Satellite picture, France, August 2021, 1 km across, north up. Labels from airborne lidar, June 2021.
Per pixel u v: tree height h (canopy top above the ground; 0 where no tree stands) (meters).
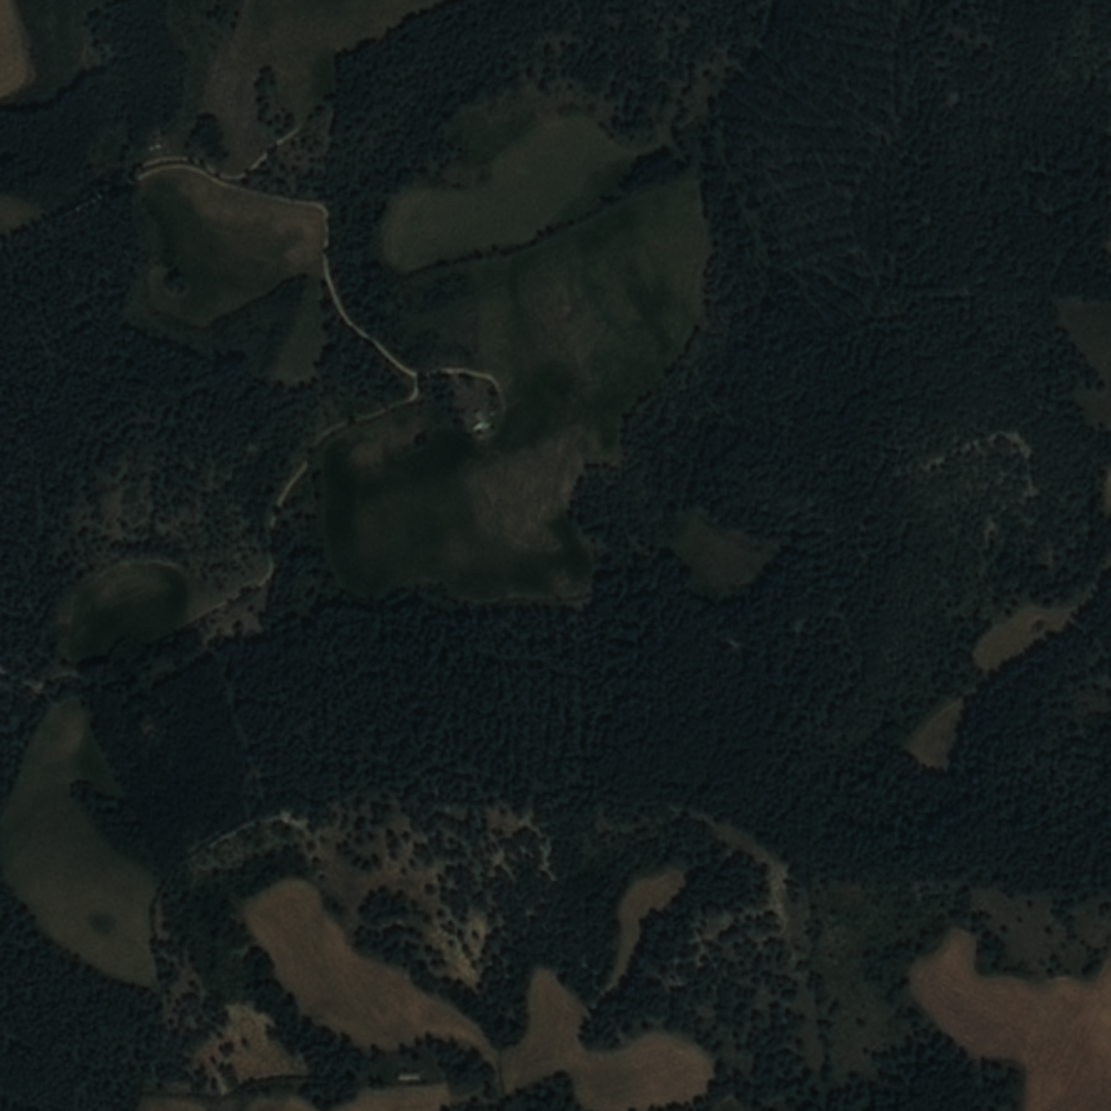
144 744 6
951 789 15
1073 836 10
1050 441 7
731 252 11
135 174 8
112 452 7
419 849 10
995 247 10
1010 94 11
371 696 11
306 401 12
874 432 9
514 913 12
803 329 10
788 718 13
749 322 16
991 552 10
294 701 13
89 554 6
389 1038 0
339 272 12
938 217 8
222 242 0
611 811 10
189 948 9
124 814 9
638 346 0
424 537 0
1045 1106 0
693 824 10
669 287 0
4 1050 17
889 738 18
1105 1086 0
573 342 0
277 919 0
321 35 0
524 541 0
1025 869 10
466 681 12
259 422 10
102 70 9
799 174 10
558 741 11
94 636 0
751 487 8
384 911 7
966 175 13
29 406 13
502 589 0
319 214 0
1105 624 11
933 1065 14
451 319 0
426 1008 0
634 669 7
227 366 14
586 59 8
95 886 0
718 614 17
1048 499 8
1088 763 13
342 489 0
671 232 0
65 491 7
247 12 0
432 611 9
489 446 0
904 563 10
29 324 13
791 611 9
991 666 0
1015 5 11
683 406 12
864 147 11
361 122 11
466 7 12
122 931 0
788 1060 10
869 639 12
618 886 11
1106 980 0
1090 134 17
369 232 18
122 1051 13
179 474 12
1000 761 11
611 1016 13
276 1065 0
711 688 14
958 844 11
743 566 0
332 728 8
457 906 10
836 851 11
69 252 14
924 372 10
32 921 7
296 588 12
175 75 7
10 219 0
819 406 9
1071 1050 0
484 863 9
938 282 8
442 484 0
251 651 13
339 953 0
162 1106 0
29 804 0
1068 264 12
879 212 13
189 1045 12
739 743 12
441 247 0
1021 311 9
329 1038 12
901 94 13
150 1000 8
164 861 7
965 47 9
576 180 0
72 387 11
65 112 13
